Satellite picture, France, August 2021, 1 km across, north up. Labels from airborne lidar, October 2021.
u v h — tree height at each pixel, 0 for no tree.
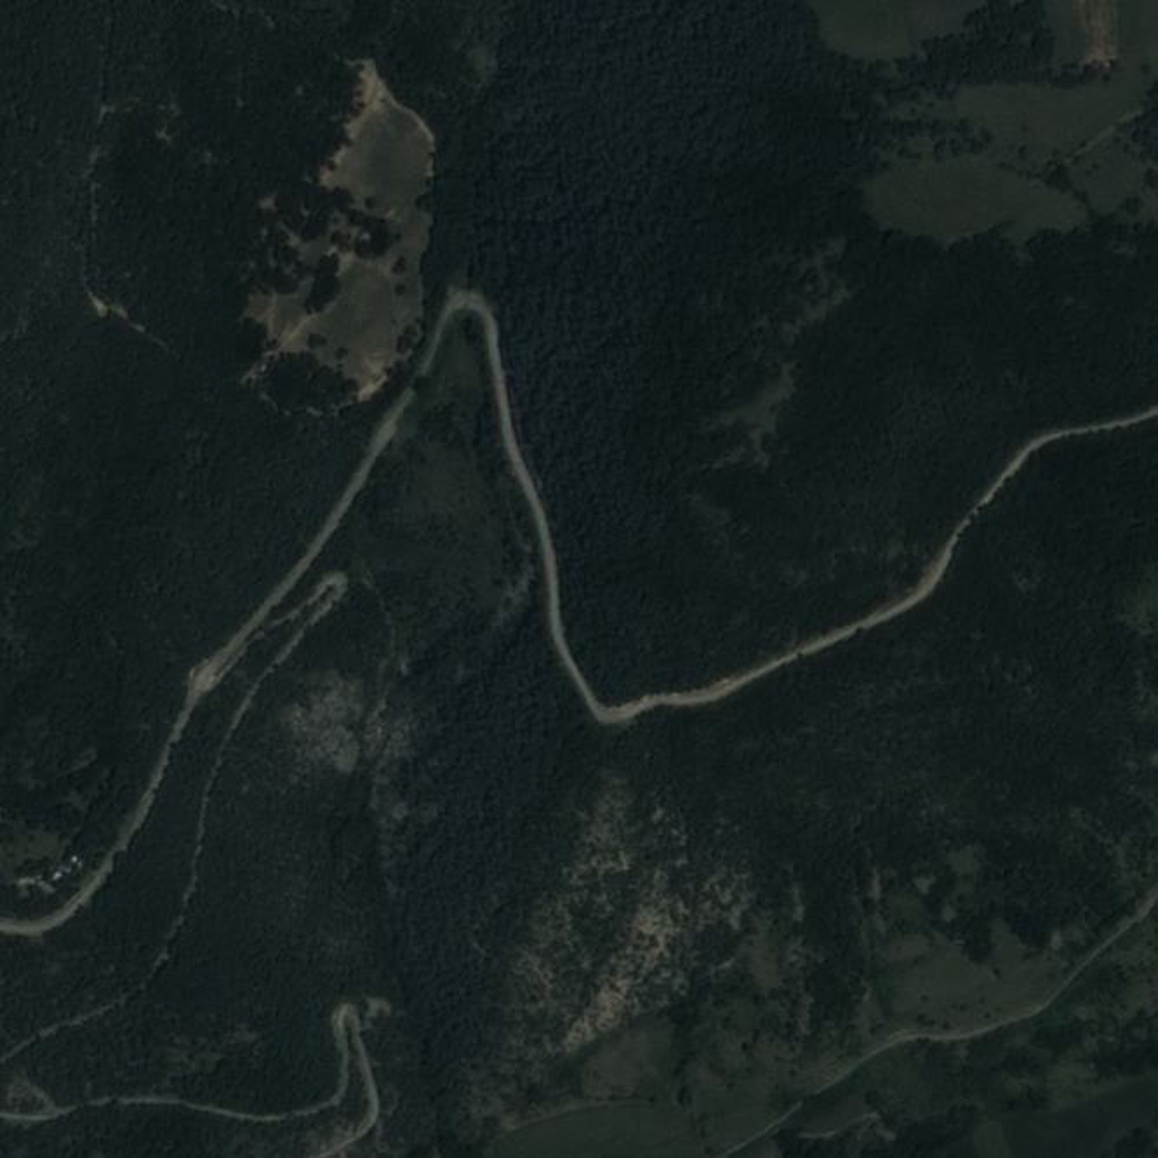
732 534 6
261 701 9
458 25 12
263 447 10
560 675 12
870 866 8
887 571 9
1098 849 8
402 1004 6
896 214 0
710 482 10
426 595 7
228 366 13
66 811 12
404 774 7
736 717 6
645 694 15
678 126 17
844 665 8
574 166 14
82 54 8
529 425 10
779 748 7
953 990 0
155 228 11
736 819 11
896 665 7
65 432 9
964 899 9
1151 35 0
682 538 11
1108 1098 0
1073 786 6
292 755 6
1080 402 11
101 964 11
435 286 12
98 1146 14
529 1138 0
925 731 6
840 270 7
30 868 6
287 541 9
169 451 14
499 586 10
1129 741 6
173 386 14
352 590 9
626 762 8
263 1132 7
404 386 11
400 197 0
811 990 12
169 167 10
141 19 10
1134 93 0
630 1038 0
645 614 11
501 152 12
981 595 11
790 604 10
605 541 11
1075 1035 10
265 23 10
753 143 12
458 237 17
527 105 9
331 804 8
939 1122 6
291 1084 11
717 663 8
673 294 8
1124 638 11
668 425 8
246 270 14
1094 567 14
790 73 13
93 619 14
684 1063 9
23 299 7
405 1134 9
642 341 13
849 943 7
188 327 12
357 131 0
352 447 11
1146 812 12
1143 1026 9
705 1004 7
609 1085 0
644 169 14
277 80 9
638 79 11
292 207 12
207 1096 11
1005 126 0
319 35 10
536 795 8
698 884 7
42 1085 7
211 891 11
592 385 11
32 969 9
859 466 11
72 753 6
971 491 16
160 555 12
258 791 7
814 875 8
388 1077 9
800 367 10
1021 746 8
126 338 10
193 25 18
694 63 12
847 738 9
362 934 6
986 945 8
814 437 10
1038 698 13
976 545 13
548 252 11
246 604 11
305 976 12
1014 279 12
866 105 7
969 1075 8
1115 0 0
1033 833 6
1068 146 0
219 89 17
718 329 7
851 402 11
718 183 14
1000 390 11
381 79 8
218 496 12
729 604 10
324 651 11
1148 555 7
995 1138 0
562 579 6
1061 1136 0
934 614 7
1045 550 10
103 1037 9
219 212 12
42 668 10
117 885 12
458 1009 8
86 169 7
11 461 12
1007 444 12
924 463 9
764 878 10
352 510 11
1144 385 9
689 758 5
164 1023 10
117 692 11
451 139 14
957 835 11
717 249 9
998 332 11
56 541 10
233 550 14
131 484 11
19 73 12
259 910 14
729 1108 0
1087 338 6
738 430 6
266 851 9
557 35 12
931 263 9
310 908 8
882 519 9
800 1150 9
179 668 9
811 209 14
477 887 8
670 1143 0
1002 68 8
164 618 15
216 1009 11
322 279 12
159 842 11
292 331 0
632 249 14
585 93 7
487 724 12
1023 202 0
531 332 8
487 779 12
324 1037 8
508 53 15
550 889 7
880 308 12
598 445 13
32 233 8
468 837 10
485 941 9
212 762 11
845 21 0
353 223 11
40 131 11
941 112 0
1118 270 8
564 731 9
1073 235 7
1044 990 0
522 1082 8
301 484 10
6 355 10
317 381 14
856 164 14
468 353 0
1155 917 9
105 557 9
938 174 0
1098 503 15
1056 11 0
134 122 11
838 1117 0
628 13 12
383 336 0
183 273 10
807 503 10
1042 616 11
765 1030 5
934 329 11
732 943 10
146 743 10
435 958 10
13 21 14
